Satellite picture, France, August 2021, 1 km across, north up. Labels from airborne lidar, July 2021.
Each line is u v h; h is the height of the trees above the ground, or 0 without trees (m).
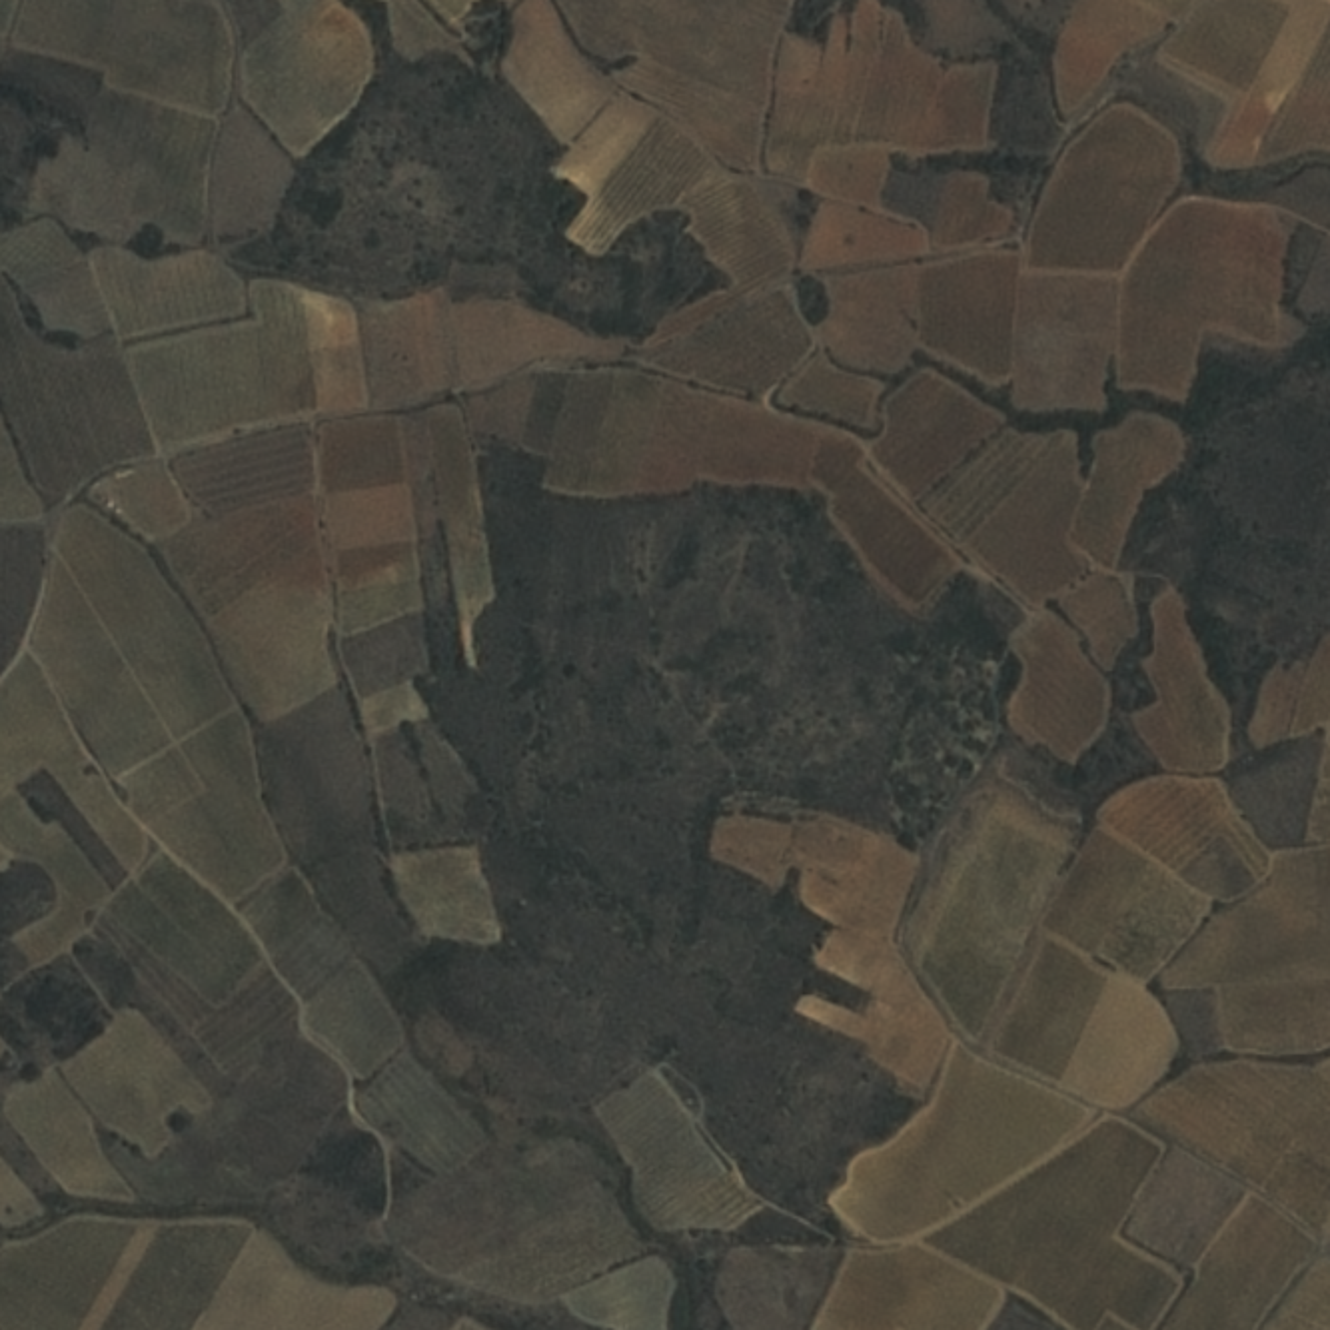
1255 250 0
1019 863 0
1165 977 0
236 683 0
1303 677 0
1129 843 0
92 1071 0
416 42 0
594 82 0
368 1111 0
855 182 0
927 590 0
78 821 0
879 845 0
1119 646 0
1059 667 0
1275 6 0
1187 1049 0
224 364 0
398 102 0
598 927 0
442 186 0
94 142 0
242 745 0
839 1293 0
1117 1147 0
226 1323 0
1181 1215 0
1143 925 0
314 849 0
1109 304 0
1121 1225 0
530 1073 0
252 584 0
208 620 0
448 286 0
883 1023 0
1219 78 0
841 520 0
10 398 0
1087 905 0
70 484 0
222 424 0
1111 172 0
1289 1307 0
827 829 0
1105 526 0
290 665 0
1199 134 0
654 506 0
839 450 0
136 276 0
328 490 0
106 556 0
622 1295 0
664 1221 0
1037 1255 0
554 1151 0
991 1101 0
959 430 0
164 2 0
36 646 0
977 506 0
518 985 0
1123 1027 0
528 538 0
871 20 0
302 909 0
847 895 0
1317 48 0
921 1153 0
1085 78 0
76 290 0
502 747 0
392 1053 0
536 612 0
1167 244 0
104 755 0
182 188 0
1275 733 0
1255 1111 0
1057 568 0
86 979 0
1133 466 0
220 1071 0
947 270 0
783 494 6
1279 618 0
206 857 0
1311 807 0
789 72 0
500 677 0
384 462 0
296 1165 0
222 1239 0
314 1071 0
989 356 0
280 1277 0
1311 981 0
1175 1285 0
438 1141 0
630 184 0
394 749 0
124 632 0
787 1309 0
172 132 0
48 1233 0
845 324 0
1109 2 0
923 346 0
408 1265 0
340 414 0
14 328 0
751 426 0
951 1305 0
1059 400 0
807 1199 0
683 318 0
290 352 0
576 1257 0
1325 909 0
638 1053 0
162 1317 0
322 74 0
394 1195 0
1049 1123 0
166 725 0
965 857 0
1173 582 0
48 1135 0
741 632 0
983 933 0
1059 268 0
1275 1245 0
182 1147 0
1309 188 0
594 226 0
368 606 0
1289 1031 0
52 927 0
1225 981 0
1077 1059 0
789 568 0
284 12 0
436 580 0
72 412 0
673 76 0
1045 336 0
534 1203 0
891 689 0
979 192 0
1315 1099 0
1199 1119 0
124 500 0
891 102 0
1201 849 0
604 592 0
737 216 0
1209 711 0
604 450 0
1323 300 0
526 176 0
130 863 0
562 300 0
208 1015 0
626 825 0
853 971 0
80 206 0
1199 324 0
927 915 0
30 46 0
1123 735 7
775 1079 0
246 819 0
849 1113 0
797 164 0
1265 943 0
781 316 0
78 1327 0
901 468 0
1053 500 0
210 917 0
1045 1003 0
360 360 0
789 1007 0
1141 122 0
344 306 0
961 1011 0
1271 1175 0
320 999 0
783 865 0
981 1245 0
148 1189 0
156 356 0
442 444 0
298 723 0
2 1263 0
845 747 0
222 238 0
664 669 0
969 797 0
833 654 0
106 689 0
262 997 0
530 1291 0
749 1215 0
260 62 0
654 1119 0
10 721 0
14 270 0
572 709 0
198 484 0
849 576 0
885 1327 0
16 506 0
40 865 0
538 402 0
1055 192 0
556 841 0
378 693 0
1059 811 0
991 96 0
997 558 0
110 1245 0
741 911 0
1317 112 0
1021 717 0
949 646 0
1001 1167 0
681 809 0
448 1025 0
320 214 0
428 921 0
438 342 0
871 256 0
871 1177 0
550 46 0
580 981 0
